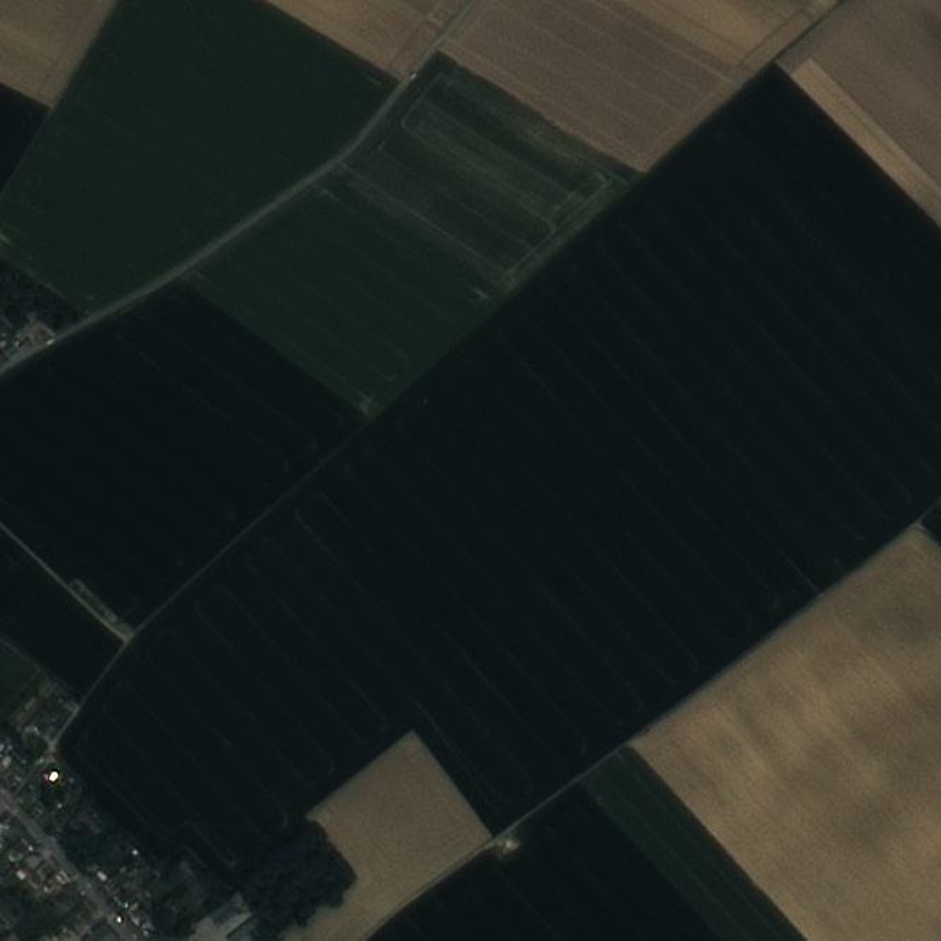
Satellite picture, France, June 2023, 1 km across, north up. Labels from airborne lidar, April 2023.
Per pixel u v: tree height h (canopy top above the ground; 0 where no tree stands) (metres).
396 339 0
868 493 0
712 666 0
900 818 0
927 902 0
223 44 0
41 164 0
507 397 0
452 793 0
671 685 0
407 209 0
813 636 0
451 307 0
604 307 0
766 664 0
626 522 0
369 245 0
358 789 0
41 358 0
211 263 0
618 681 0
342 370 0
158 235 0
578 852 0
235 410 0
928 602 0
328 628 0
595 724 0
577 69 0
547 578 0
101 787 0
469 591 0
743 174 0
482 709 0
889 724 0
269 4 0
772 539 0
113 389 0
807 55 0
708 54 0
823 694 0
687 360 0
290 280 0
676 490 0
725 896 0
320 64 0
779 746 0
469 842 0
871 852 0
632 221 0
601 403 0
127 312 0
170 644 0
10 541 0
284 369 0
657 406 0
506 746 0
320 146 0
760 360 0
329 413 0
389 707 0
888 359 0
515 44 0
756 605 0
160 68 0
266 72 0
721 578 0
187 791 0
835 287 0
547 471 0
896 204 0
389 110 0
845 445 0
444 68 0
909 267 0
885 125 0
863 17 0
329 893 26
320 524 0
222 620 0
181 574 0
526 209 0
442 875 0
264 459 0
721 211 0
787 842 0
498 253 0
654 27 0
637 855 0
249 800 0
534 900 0
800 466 0
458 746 0
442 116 0
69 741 0
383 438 0
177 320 0
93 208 0
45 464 0
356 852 0
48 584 0
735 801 0
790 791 0
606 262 0
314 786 0
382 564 0
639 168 0
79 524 0
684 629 0
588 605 0
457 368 0
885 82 0
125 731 0
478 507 0
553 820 0
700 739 0
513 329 0
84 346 0
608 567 0
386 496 0
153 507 0
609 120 0
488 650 0
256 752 0
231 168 0
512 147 0
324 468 0
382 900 0
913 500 0
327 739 0
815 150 0
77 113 0
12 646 0
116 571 0
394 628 0
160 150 0
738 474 0
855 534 0
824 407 0
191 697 0
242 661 0
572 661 0
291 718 0
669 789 0
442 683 0
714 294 0
